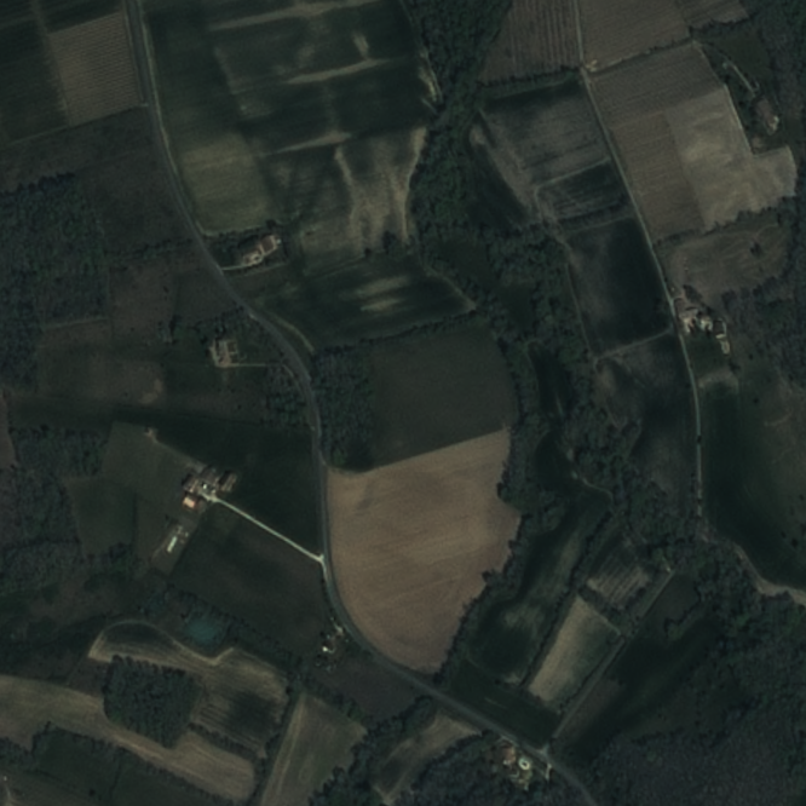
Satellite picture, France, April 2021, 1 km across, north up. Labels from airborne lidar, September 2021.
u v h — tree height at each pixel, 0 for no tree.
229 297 0
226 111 0
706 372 0
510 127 0
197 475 9
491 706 0
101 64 0
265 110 0
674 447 0
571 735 0
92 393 0
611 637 0
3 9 0
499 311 19
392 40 0
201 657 0
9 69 0
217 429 0
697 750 17
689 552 19
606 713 0
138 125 0
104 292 16
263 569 0
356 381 19
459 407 0
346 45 0
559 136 0
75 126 0
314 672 0
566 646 0
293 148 0
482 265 0
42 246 20
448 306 0
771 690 20
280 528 0
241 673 0
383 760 16
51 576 20
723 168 0
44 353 8
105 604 0
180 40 0
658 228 0
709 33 15
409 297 0
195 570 0
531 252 17
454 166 20
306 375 0
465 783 20
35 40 0
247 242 7
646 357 0
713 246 0
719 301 0
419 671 0
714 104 0
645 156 0
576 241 0
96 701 0
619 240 0
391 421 0
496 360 0
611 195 0
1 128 0
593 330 0
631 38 0
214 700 0
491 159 0
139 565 20
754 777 22
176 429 0
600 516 0
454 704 0
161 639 0
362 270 0
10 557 17
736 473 0
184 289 0
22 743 0
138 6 0
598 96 0
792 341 20
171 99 0
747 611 17
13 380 23
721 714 0
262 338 8
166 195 0
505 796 10
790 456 0
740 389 0
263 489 0
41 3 0
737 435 0
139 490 0
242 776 0
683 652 0
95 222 11
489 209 0
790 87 21
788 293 17
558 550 0
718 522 0
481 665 0
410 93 0
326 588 7
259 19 0
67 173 0
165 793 0
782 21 24
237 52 0
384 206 0
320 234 0
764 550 0
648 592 8
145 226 0
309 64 0
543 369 0
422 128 0
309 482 0
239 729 0
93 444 23
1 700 0
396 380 0
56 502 17
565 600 13
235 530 0
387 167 0
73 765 0
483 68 11
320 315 0
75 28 0
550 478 0
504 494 16
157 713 17
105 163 0
